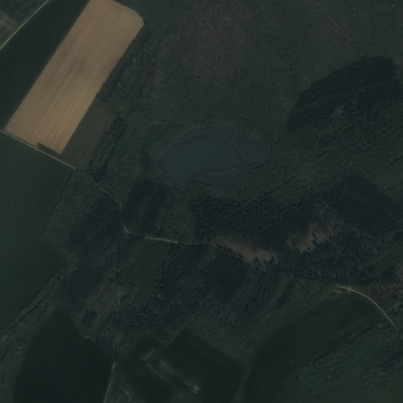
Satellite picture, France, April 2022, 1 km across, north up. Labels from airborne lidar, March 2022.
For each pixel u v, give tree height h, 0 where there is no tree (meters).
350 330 0
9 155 0
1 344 0
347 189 17
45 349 0
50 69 0
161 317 20
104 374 0
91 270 23
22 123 0
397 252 11
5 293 0
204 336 18
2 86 0
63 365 0
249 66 19
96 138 0
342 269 23
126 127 9
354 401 0
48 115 0
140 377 0
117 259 18
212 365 0
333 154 16
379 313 0
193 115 16
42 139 0
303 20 0
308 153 20
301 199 16
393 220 15
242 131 14
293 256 25
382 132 20
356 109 21
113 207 20
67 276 14
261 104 18
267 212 21
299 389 0
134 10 11
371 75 15
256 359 0
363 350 18
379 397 0
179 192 12
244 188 20
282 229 21
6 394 0
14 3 26
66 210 18
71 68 0
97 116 0
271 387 0
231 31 16
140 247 21
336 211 24
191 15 19
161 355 0
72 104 0
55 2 0
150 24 19
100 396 0
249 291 23
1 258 0
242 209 24
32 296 0
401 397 0
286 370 0
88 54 0
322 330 0
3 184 0
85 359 0
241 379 0
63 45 0
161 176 16
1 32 0
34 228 0
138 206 22
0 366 17
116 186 19
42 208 0
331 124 19
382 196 15
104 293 0
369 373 16
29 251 0
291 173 17
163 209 21
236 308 21
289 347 0
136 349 0
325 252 28
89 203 17
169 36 16
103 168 10
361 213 19
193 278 16
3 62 0
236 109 18
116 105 18
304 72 0
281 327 0
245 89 17
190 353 0
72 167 0
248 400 0
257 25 0
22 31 0
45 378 0
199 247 14
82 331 0
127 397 0
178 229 19
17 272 0
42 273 0
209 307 22
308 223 20
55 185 0
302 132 19
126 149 18
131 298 19
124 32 0
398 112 17
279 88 19
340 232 26
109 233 20
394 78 18
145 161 14
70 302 19
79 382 0
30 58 0
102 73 0
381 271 12
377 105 20
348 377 14
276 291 21
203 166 0
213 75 17
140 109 19
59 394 0
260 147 8
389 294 14
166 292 18
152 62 0
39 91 0
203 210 21
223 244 0
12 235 0
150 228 18
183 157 0
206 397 0
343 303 0
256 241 21
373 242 26
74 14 0
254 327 16
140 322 20
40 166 0
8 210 0
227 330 22
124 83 13
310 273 21
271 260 0
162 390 0
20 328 16
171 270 20
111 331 20
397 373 17
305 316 0
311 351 0
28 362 0
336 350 10
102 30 0
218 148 0
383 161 17
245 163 0
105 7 0
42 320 19
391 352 17
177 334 15
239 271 20
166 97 18
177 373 0
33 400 0
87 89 0
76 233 21
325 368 20
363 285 26
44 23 0
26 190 0
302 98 18
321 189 14
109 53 0
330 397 0
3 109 0
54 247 14
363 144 13
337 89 19
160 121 17
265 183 20
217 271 19
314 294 21
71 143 0
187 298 19
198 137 0
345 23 0
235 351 20
